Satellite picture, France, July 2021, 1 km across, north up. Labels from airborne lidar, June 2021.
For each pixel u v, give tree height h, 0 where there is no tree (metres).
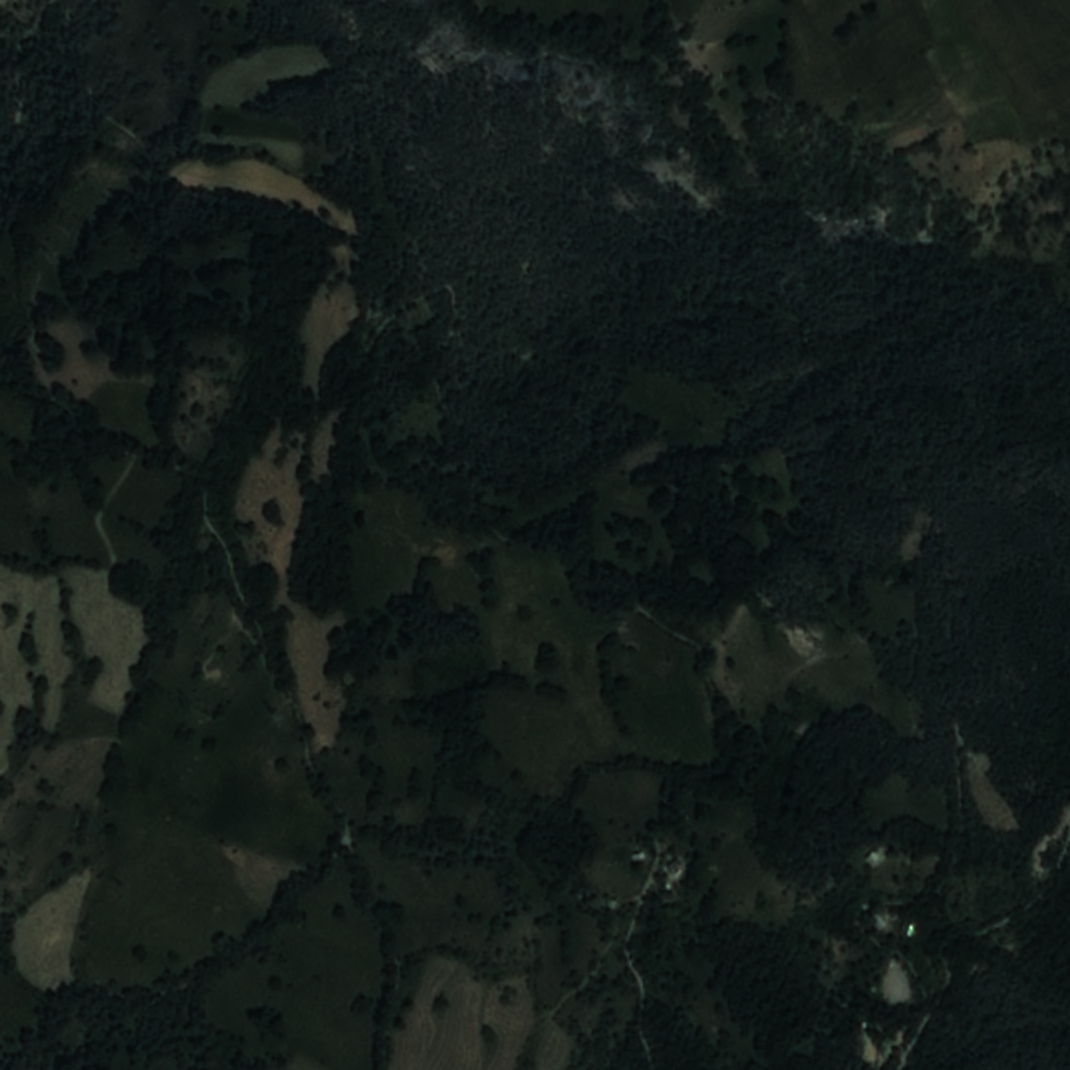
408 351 14
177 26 0
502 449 27
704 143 12
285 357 21
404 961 7
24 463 9
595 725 0
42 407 17
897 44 0
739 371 14
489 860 11
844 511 18
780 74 16
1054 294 13
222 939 15
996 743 8
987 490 14
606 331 12
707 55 0
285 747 0
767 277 14
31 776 0
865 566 15
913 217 9
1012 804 11
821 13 0
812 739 19
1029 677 11
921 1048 14
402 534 0
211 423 7
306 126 7
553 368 12
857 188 8
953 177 0
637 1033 9
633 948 10
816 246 13
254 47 15
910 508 13
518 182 14
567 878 20
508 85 15
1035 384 11
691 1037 8
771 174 22
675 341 24
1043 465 17
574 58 9
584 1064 6
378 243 15
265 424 12
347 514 10
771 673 0
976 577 14
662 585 19
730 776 22
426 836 11
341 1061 0
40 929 0
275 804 0
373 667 25
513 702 0
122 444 18
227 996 0
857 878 8
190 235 20
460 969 0
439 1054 0
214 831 0
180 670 0
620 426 11
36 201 25
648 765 9
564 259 10
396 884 0
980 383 18
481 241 8
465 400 9
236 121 0
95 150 8
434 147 14
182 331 15
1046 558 14
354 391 17
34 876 0
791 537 24
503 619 0
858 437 26
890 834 13
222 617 0
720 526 22
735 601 15
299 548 15
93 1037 10
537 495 15
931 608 10
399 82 21
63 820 0
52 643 0
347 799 0
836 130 7
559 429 14
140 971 0
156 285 15
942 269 16
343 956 0
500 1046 0
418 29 9
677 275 14
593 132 11
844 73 0
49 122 21
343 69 14
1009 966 10
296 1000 0
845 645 0
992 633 7
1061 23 0
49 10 12
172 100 0
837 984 7
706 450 11
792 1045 15
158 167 15
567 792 8
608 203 7
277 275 9
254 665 9
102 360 0
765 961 19
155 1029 15
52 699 0
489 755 15
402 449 11
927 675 12
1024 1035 11
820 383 28
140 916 0
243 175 0
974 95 0
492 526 12
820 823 17
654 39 15
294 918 12
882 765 21
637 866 12
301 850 0
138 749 0
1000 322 9
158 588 8
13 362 18
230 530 8
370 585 0
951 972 7
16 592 0
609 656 9
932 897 11
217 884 0
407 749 0
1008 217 15
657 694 0
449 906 0
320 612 6
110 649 0
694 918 10
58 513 0
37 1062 12
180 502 11
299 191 0
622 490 0
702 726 0
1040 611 12
